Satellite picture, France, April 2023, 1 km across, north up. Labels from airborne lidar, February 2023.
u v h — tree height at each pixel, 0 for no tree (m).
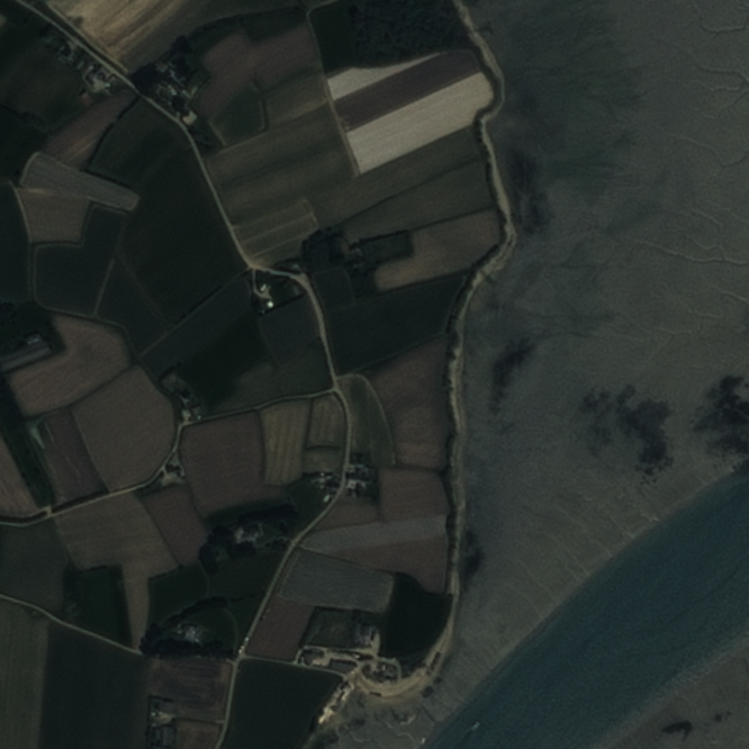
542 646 0
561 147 0
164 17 0
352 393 0
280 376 0
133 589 0
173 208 0
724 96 0
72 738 0
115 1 0
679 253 0
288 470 0
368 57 10
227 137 0
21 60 0
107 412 0
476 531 0
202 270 0
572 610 0
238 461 0
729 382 0
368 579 0
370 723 0
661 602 0
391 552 0
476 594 0
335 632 0
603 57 0
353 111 0
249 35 0
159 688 0
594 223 0
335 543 0
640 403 0
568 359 0
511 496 0
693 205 0
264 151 0
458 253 0
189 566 0
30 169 0
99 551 0
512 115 0
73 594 0
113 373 0
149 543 0
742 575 0
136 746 0
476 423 0
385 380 0
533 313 0
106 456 0
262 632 0
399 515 0
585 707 0
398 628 0
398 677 0
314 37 0
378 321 0
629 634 0
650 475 0
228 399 0
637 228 0
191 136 13
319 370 0
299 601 0
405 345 0
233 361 0
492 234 0
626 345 0
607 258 0
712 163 0
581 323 0
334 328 0
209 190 0
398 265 0
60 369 0
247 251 0
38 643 0
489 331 0
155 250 0
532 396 0
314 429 0
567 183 0
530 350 0
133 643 0
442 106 0
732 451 0
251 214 0
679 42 0
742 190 0
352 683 0
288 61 0
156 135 0
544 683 0
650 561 0
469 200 0
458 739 0
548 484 0
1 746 0
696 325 0
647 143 0
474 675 0
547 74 0
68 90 0
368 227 0
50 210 0
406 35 10
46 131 9
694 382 0
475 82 0
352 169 0
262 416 0
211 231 0
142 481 0
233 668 0
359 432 0
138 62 0
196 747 0
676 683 0
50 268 0
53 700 0
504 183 0
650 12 0
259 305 9
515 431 0
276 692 0
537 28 0
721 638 0
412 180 0
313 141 0
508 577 0
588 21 0
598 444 0
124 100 0
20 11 0
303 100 0
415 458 0
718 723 0
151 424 0
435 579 0
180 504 0
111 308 0
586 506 0
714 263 0
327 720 0
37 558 0
